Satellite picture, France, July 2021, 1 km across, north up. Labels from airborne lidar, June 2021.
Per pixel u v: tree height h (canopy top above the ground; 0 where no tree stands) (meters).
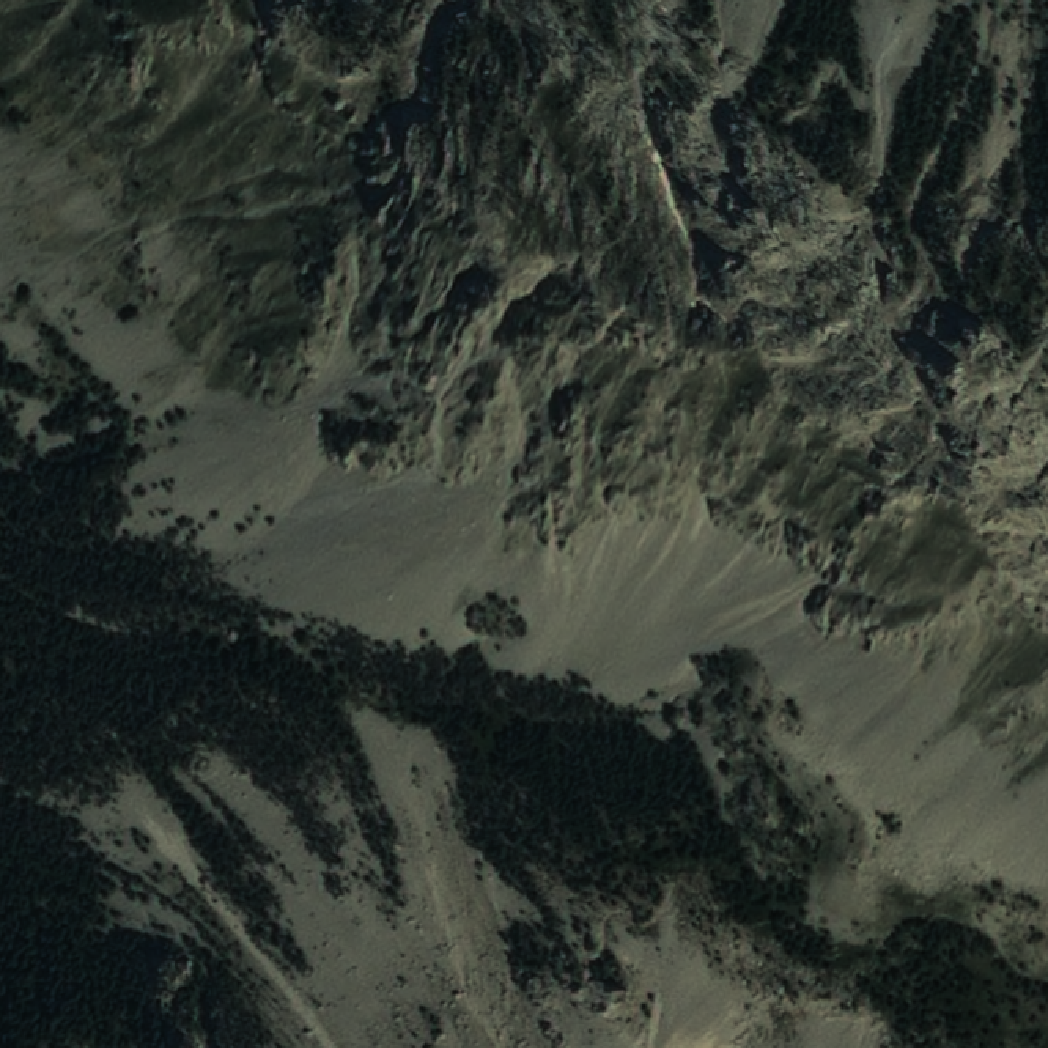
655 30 0
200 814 15
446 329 0
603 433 0
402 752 0
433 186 0
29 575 19
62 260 0
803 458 0
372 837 10
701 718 12
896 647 0
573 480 0
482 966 0
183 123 0
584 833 9
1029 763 0
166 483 9
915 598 0
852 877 0
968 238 0
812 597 0
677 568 0
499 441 0
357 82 0
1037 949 0
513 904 0
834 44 14
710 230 0
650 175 0
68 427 19
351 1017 0
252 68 0
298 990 0
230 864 8
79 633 24
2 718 16
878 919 0
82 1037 10
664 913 0
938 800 0
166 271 0
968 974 9
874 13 0
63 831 10
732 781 0
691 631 0
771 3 0
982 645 0
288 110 0
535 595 0
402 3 8
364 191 0
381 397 0
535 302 0
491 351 0
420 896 0
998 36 0
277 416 0
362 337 0
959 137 17
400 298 0
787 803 16
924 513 0
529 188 0
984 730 0
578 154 0
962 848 0
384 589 0
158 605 15
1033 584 0
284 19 0
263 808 0
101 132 0
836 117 8
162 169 0
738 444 0
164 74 0
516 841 17
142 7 0
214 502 0
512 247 0
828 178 6
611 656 0
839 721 0
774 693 0
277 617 8
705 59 0
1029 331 10
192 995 14
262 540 0
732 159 0
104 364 0
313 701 14
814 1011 0
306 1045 0
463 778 8
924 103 6
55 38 0
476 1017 0
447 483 0
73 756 13
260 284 0
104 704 17
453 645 0
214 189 0
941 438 0
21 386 23
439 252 0
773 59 11
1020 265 7
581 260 0
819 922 0
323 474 0
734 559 0
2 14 0
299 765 9
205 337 0
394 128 0
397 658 11
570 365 0
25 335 0
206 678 8
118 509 13
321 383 0
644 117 0
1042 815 0
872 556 0
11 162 0
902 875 0
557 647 0
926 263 0
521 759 9
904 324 0
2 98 9
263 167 0
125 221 0
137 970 10
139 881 11
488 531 0
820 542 0
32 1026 18
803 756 0
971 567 0
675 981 0
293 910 0
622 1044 0
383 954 0
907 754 0
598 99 0
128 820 0
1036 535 0
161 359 0
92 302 0
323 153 0
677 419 0
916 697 0
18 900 17
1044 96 16
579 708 13
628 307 0
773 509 0
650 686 0
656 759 11
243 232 0
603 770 14
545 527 0
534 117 0
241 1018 7
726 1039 0
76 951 24
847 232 0
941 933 11
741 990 0
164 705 13
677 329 0
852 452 0
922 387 0
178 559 12
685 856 13
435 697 10
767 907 14
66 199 0
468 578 0
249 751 8
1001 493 0
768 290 0
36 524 16
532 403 0
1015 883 0
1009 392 0
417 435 0
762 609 0
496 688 15
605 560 0
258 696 11
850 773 0
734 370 0
